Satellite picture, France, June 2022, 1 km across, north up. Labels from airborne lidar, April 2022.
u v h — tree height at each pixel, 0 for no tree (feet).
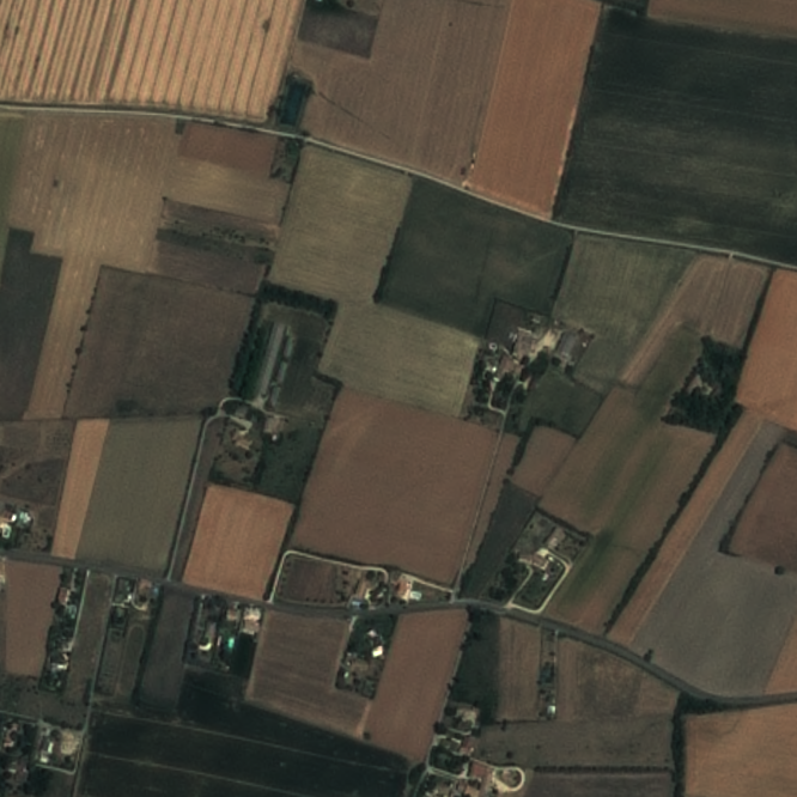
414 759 0
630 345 0
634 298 0
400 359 0
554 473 0
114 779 0
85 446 0
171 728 0
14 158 0
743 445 0
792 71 0
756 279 0
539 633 0
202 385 0
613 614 21
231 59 0
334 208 0
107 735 0
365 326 0
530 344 0
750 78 0
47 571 0
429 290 0
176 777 0
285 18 0
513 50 0
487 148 0
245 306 0
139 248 0
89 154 0
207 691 0
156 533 0
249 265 0
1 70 0
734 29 0
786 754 0
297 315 0
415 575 0
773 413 0
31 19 0
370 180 0
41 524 0
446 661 0
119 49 0
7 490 0
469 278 0
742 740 0
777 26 0
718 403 21
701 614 0
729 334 0
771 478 0
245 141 0
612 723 0
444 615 0
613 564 0
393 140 0
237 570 0
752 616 0
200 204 0
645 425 0
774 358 0
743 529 0
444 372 0
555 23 0
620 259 0
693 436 0
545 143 0
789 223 0
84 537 0
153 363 0
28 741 45
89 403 0
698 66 0
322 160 0
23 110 0
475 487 0
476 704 34
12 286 0
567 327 0
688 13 0
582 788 0
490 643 0
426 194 0
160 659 0
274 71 0
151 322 0
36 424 0
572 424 0
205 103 0
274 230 0
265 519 0
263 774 0
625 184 0
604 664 0
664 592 0
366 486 0
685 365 0
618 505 0
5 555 0
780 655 0
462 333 0
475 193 0
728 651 0
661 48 0
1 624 0
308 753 0
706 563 0
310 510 0
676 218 0
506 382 25
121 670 0
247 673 0
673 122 0
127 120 0
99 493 0
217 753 0
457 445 0
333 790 0
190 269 0
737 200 0
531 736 0
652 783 0
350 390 0
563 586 0
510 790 0
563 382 0
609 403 0
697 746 0
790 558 0
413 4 0
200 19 0
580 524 0
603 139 0
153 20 0
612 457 0
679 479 0
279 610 0
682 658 0
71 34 0
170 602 0
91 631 0
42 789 29
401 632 0
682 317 0
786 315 0
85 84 0
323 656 0
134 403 0
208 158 0
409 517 0
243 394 58
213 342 0
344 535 0
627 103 0
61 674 47
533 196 0
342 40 0
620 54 0
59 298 0
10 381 0
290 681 0
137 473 0
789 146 0
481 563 0
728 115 0
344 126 0
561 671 0
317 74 0
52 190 0
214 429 0
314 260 0
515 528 0
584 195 0
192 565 0
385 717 0
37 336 0
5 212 0
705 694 0
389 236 0
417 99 0
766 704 0
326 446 0
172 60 0
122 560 0
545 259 0
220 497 0
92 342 0
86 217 0
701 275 0
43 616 0
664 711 0
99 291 0
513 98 0
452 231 0
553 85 0
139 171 0
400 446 0
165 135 0
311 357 0
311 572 0
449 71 0
